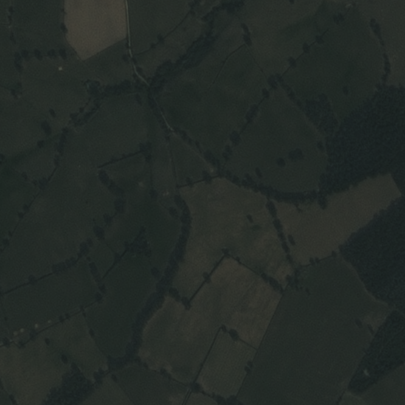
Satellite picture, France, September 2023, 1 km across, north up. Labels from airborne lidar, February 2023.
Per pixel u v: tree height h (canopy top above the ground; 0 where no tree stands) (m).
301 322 0
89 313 0
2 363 0
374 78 0
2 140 0
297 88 0
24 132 0
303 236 0
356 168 22
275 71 0
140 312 0
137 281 0
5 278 0
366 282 15
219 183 0
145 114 0
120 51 0
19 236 0
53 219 0
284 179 0
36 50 0
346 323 0
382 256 17
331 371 0
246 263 0
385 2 0
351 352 0
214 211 0
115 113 0
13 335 0
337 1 0
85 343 0
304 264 0
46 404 11
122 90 15
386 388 0
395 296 21
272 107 0
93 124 0
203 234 0
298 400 0
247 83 0
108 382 0
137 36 0
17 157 0
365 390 8
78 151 0
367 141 20
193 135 0
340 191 8
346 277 0
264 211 0
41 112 0
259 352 0
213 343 0
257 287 0
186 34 0
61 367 0
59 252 0
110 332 0
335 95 0
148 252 16
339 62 0
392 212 16
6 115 0
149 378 0
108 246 0
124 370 0
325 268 0
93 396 0
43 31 0
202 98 0
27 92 0
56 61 0
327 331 0
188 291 0
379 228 13
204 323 0
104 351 0
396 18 0
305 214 0
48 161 0
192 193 0
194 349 0
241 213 0
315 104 11
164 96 0
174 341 0
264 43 0
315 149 0
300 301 0
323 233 0
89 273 0
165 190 0
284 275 0
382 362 6
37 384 0
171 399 0
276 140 0
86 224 0
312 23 0
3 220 0
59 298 0
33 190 0
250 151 0
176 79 0
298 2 0
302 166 0
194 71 0
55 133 0
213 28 12
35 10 0
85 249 17
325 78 0
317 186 0
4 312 0
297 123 0
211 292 0
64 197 0
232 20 0
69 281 0
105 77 0
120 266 0
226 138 0
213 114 0
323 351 0
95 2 0
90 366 0
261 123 0
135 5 0
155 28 0
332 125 17
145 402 0
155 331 0
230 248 0
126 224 0
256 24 0
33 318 0
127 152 0
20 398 0
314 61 0
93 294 0
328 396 0
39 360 0
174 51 0
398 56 0
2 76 0
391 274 24
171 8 0
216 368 0
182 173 0
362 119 22
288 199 16
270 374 0
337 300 0
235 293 0
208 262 0
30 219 0
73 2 0
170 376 11
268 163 0
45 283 0
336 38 0
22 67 16
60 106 0
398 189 11
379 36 13
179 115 0
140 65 0
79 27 0
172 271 17
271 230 0
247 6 0
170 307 0
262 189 15
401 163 20
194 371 0
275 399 0
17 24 0
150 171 0
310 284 0
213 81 0
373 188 0
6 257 0
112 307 0
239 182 8
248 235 0
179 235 0
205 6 0
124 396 0
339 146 22
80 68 0
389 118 9
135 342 18
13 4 0
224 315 0
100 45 0
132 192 0
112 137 0
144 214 0
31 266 0
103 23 0
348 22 0
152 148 14
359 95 0
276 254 0
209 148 0
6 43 0
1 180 0
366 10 0
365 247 16
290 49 0
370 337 0
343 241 0
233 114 0
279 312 0
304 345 0
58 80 0
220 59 0
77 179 0
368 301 0
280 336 0
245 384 0
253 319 0
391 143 17
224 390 0
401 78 0
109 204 0
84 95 0
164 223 0
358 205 0
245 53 0
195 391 13
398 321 6
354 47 0
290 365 0
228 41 0
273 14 0
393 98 12
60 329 0
